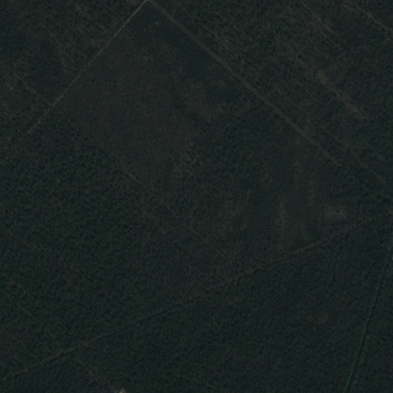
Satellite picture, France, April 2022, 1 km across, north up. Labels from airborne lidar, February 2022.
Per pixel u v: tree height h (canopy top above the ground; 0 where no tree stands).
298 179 6
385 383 13
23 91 7
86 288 14
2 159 10
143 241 15
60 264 12
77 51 14
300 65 15
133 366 15
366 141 16
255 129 6
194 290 14
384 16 6
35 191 13
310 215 6
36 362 7
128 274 17
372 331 14
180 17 10
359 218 14
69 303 14
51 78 9
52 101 9
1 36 10
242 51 15
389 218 14
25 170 12
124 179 13
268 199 10
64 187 16
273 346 15
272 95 15
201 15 13
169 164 9
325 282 8
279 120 15
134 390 8
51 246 12
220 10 16
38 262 14
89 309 11
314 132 14
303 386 12
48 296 9
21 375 11
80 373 9
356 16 13
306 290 11
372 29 15
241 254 5
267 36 16
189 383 13
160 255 6
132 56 9
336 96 12
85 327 11
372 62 12
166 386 12
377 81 16
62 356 11
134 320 17
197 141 9
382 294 14
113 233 9
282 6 16
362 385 14
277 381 13
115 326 12
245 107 16
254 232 6
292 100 16
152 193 12
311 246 0
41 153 10
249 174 12
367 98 15
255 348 10
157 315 10
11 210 11
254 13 13
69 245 18
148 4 6
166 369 20
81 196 14
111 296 13
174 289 10
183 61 7
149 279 14
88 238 15
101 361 15
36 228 17
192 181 15
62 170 9
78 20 12
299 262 8
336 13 15
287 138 7
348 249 17
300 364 9
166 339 14
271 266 8
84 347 9
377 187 14
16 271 12
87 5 13
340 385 14
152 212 15
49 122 8
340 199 11
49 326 13
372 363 13
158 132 9
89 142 14
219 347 14
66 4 14
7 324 9
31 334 18
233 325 12
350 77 12
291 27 12
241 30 13
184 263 7
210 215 7
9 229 15
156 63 8
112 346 16
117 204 16
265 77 9
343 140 15
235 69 16
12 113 10
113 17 14
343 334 13
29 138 11
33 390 10
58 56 9
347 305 8
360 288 16
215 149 11
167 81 9
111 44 8
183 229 12
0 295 14
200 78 6
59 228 13
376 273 14
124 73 8
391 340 16
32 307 11
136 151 9
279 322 14
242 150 12
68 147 9
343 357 14
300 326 10
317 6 13
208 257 8
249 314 14
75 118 7
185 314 16
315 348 13
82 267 10
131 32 8
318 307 6
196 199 12
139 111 7
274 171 7
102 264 11
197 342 16
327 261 15
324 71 18
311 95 12
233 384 15
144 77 7
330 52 10
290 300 14
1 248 13
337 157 13
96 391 15
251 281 9
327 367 13
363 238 10
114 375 11
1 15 8
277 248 7
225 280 11
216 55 10
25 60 13
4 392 12
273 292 11
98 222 15
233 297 17
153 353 15
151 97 9
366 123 14
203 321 13
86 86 9
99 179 11
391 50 15
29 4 13
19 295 14
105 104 6
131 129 9
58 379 9
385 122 13
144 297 18
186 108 9
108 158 15
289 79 19
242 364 11
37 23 12
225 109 11
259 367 13
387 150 13
